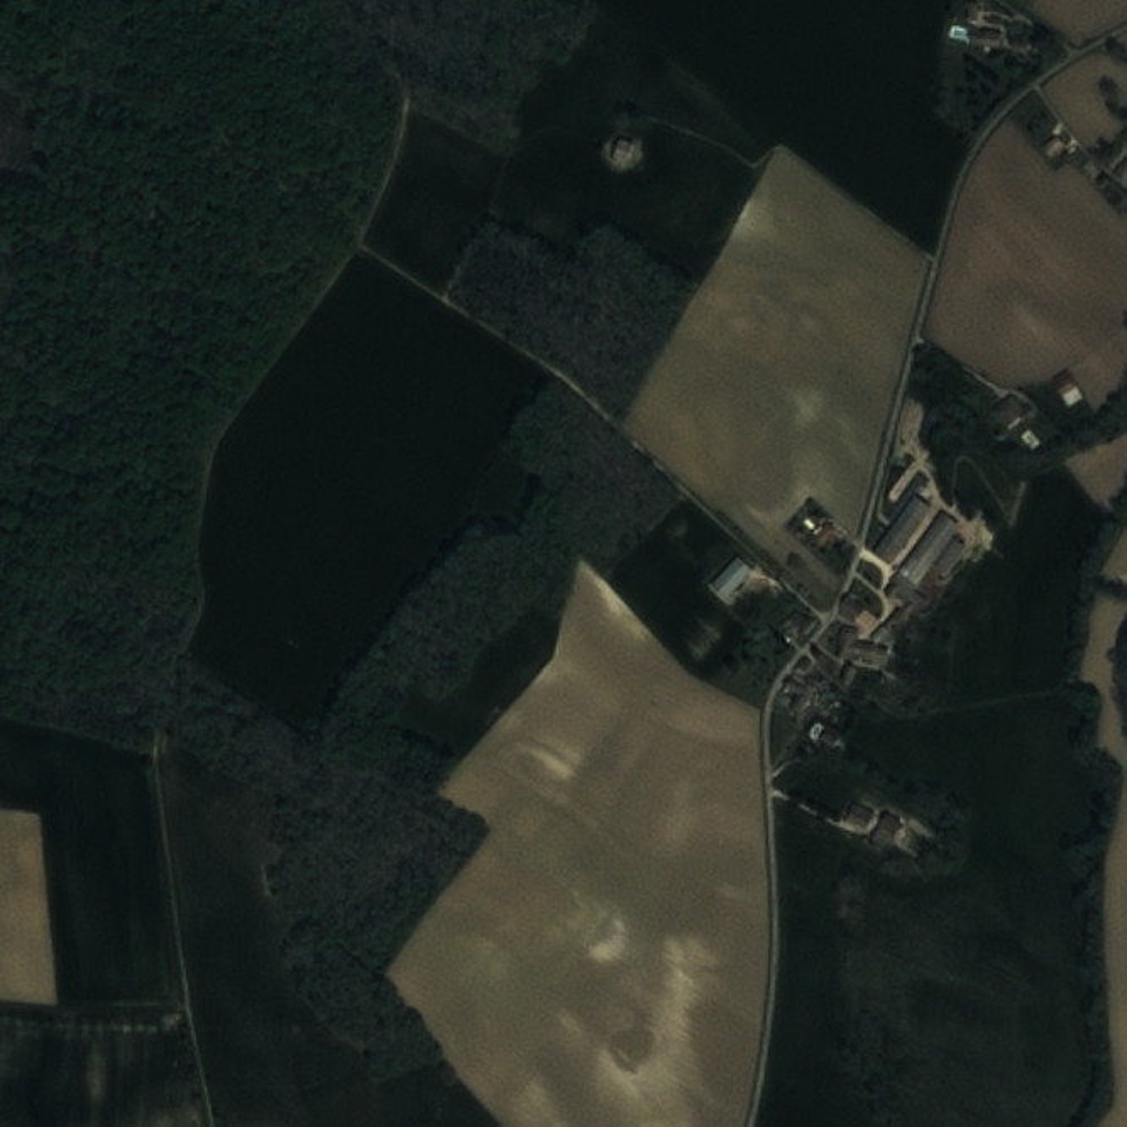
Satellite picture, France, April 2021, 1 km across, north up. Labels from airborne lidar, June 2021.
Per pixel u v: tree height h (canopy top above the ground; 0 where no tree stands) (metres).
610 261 22
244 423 0
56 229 23
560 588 20
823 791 0
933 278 0
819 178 0
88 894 0
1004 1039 0
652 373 19
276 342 19
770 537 0
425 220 0
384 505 0
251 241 23
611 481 15
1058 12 0
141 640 16
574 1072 0
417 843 19
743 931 0
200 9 23
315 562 0
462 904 0
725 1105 0
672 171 0
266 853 0
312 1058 0
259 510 0
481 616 18
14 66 18
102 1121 0
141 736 18
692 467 0
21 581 25
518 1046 0
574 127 0
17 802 0
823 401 0
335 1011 17
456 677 19
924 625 9
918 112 0
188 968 0
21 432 18
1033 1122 0
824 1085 0
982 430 11
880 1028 19
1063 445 15
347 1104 0
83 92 18
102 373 28
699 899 0
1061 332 0
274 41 25
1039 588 0
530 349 15
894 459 0
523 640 0
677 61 0
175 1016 0
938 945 0
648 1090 0
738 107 0
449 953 0
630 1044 0
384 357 0
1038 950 0
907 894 0
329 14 13
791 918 0
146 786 0
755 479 0
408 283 0
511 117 17
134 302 25
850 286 0
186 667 11
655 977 0
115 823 0
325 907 16
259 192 23
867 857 0
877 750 0
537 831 0
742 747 0
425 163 0
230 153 23
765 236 0
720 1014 0
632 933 0
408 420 0
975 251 0
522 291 18
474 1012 0
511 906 0
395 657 20
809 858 0
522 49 18
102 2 30
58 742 0
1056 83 0
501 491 0
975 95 10
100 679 18
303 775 13
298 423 0
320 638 0
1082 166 0
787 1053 0
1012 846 0
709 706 0
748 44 0
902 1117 17
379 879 10
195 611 13
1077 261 0
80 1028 0
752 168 0
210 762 15
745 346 0
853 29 0
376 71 21
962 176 0
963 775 0
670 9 0
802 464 0
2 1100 0
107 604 17
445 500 0
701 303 0
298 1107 0
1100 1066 10
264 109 22
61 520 27
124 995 0
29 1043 0
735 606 0
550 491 25
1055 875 0
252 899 0
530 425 22
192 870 0
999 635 0
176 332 19
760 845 0
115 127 26
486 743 0
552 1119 0
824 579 0
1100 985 17
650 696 0
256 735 17
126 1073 0
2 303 13
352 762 19
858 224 0
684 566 0
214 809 0
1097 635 0
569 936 0
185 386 23
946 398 9
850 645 0
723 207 0
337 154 18
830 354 0
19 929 0
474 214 0
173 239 25
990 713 0
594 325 15
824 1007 0
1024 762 0
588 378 16
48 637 24
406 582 0
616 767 0
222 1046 0
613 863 0
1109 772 17
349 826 15
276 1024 0
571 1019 0
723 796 0
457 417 0
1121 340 0
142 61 24
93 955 0
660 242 0
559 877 0
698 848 0
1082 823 0
